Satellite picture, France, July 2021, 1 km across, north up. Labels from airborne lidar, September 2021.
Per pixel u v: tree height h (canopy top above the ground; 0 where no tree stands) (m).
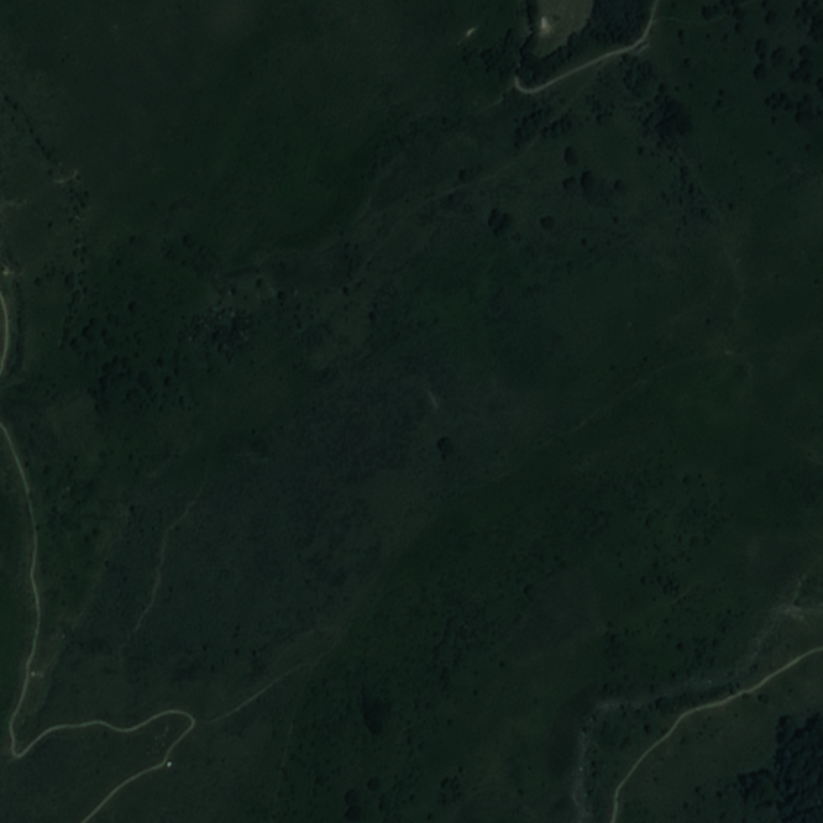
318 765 6
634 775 0
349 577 0
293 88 0
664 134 11
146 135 0
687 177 12
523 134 14
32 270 0
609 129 0
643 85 13
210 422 0
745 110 0
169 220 0
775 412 0
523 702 0
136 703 0
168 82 0
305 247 0
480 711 0
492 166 0
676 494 0
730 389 0
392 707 7
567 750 0
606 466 0
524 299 0
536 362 0
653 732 14
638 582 0
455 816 0
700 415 0
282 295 13
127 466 0
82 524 10
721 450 0
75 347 13
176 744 0
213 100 0
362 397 0
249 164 0
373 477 0
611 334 0
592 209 0
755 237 0
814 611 0
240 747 0
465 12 0
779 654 0
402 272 0
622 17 22
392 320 0
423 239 0
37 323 0
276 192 0
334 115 0
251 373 0
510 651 0
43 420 0
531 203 0
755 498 0
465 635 8
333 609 0
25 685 0
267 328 0
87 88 0
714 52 0
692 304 0
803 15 11
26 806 0
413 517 0
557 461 0
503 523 0
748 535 0
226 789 0
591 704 0
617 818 0
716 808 0
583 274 0
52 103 0
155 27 0
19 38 0
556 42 0
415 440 0
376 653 0
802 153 0
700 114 0
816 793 24
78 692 0
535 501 0
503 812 0
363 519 0
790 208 0
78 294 10
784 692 0
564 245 0
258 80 0
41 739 0
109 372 20
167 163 0
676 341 0
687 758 0
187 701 0
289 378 0
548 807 0
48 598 0
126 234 0
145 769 0
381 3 0
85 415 0
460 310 0
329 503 0
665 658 0
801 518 0
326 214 0
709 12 17
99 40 0
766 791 20
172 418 0
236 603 0
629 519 0
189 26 0
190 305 0
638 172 0
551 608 0
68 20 0
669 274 0
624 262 0
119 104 0
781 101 11
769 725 0
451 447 14
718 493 0
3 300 0
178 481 0
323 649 0
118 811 0
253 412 0
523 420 0
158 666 0
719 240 0
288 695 0
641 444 0
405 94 0
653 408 0
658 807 0
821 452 0
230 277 0
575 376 0
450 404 0
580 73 0
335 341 0
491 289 0
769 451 0
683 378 0
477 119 0
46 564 0
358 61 0
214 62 0
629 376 0
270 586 0
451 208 0
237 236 0
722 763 0
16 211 0
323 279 0
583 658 0
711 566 0
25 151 0
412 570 0
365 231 0
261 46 0
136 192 0
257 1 0
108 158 0
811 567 0
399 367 0
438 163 0
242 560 0
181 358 11
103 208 0
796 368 0
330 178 0
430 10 0
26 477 0
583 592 0
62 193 0
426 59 0
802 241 0
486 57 14
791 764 24
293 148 0
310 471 0
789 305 0
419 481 0
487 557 0
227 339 8
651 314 0
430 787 0
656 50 0
